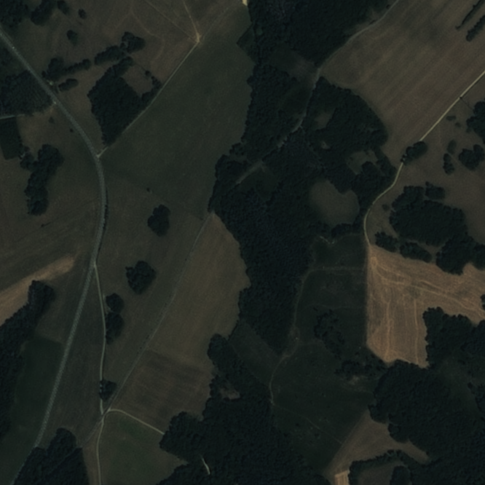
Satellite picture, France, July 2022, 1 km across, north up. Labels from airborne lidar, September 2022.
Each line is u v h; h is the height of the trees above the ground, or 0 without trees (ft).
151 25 0
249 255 49
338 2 62
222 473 68
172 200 0
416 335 0
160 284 0
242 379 59
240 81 0
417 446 43
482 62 0
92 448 0
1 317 0
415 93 0
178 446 67
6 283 0
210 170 0
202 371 0
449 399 56
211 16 0
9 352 47
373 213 0
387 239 59
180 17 0
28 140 0
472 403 0
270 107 71
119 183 0
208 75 0
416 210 63
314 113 47
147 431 0
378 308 0
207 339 0
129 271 52
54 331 0
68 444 69
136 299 0
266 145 41
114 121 64
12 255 0
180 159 0
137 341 0
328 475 0
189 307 0
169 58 0
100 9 0
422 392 73
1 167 0
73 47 0
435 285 0
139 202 0
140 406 0
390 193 0
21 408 0
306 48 53
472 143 0
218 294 0
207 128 0
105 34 0
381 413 68
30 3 0
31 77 100
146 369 0
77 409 0
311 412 0
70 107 0
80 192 0
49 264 0
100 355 0
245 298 36
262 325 69
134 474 0
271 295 67
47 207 44
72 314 0
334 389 0
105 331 0
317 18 63
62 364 0
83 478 65
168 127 0
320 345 0
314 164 68
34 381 0
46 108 86
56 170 49
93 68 0
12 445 0
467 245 76
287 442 73
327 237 69
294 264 63
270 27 48
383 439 0
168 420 0
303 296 0
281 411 0
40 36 0
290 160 48
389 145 0
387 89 0
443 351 69
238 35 0
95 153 0
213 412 56
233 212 77
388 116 0
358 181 67
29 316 74
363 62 0
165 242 0
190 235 0
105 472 0
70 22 0
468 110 0
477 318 0
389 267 0
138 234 0
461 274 51
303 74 0
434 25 0
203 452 50
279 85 86
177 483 61
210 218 0
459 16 0
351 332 0
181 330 0
